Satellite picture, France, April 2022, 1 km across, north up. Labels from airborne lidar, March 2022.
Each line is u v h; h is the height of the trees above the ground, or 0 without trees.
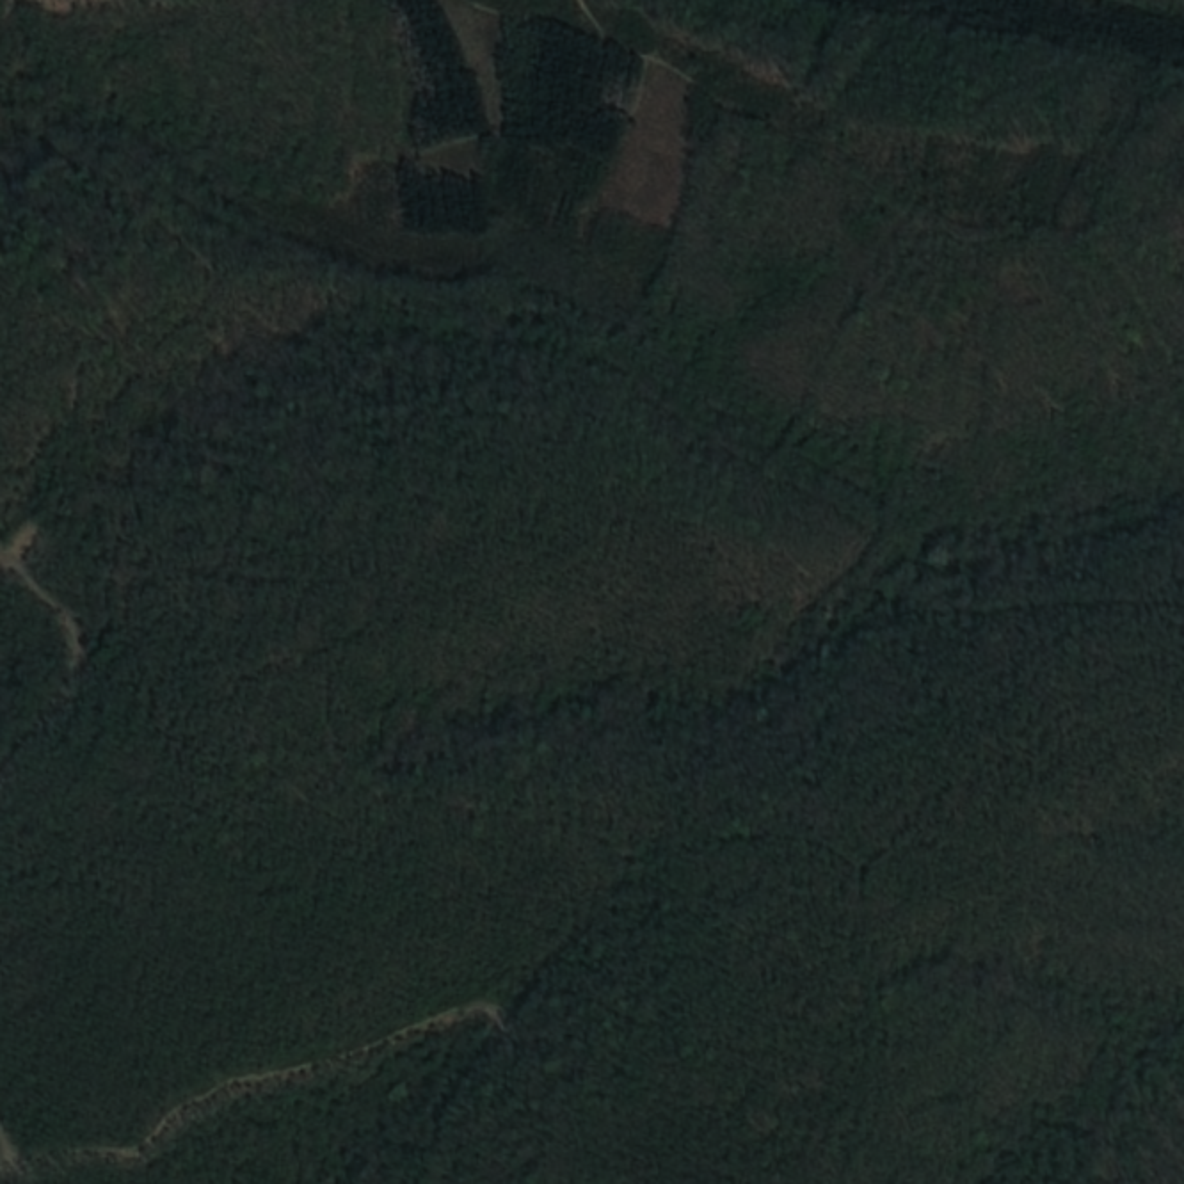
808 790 19
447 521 19
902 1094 22
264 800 18
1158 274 23
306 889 17
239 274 18
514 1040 20
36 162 23
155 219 24
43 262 24
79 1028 17
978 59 21
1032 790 21
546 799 20
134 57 17
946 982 29
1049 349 23
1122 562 24
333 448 28
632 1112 18
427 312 28
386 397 25
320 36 21
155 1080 19
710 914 17
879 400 26
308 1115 19
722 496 23
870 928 18
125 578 17
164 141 23
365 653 23
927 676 22
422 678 23
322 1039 20
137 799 16
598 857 20
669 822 22
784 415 11
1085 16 13
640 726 22
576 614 23
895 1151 24
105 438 19
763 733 23
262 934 16
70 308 22
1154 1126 23
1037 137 25
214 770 13
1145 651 19
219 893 17
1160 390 24
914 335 23
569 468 20
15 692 22
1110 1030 20
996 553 22
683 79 0
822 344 16
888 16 16
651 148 0
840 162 14
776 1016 20
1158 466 20
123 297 25
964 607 22
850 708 22
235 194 26
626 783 21
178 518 18
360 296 23
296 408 29
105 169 25
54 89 28
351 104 16
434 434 26
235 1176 19
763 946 15
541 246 8
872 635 21
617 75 13
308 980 18
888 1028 20
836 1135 20
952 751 18
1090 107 25
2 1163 0
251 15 22
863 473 15
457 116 26
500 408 26
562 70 19
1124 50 15
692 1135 18
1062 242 22
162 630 15
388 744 25
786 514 17
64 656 17
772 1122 23
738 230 23
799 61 21
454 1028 9
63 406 21
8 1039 17
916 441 21
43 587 17
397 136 17
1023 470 20
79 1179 22
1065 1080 24
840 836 19
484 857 18
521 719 23
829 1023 24
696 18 24
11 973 13
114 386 18
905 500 24
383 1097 8
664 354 25
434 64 21
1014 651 19
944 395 21
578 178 7
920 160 12
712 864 21
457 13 0
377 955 21
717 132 22
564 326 26
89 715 18
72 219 26
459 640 20
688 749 21
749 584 20
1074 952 22
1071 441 18
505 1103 20
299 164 27
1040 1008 26
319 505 23
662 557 16
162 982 12
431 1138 18
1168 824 22
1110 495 20
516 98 13
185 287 17
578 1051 22
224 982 17
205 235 24
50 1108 19
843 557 15
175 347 22
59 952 16
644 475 21
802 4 25
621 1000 25
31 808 19
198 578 13
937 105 16
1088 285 26
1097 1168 24
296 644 16
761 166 22
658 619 20
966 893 21
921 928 22
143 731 17
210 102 24
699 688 20
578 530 19
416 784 22
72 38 18
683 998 20
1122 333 30
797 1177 20
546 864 15
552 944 21
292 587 16
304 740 20
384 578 18
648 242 7
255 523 24
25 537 0
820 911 18
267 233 20
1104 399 23
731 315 19
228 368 35
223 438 27
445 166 0
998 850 20
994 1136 21
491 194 6
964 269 14
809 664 20
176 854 20
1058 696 19
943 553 24
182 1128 23
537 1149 22
